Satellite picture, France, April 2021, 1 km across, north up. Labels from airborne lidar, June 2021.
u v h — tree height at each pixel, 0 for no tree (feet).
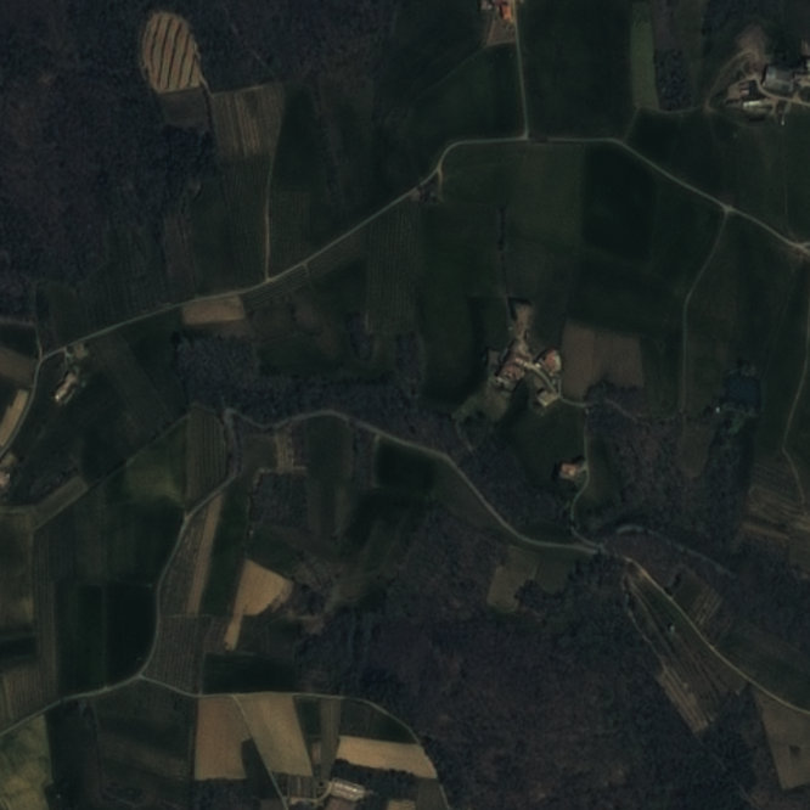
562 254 0
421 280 0
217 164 27
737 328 0
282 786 0
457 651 59
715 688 26
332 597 94
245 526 0
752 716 31
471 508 0
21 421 0
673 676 0
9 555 0
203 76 26
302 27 56
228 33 37
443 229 0
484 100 0
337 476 0
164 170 55
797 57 0
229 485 0
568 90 0
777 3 45
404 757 0
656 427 32
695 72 0
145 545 0
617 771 77
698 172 0
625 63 0
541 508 55
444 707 47
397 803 0
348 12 52
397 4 51
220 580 0
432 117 0
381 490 0
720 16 60
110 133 65
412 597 55
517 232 0
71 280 60
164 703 0
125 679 0
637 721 122
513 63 0
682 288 0
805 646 35
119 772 0
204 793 28
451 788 40
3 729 0
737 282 0
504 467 68
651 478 35
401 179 0
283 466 0
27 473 0
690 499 40
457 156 0
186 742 0
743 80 0
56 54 51
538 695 62
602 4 0
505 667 62
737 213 0
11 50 52
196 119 0
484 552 48
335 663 35
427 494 0
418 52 0
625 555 30
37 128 82
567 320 0
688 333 0
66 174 71
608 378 0
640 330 0
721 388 0
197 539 0
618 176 0
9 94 36
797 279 0
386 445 0
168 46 0
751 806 30
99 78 52
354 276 0
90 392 0
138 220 50
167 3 39
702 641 0
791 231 0
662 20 0
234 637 0
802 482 0
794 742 0
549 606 41
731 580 34
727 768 24
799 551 0
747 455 0
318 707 0
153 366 0
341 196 18
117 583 0
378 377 0
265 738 0
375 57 27
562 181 0
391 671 48
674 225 0
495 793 41
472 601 65
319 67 41
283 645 0
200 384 62
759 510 0
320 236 0
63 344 0
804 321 0
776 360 0
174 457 0
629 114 0
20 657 0
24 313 27
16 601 0
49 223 59
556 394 0
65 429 0
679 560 41
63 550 0
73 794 0
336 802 0
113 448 0
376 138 0
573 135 0
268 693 0
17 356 0
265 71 30
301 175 0
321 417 0
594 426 37
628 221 0
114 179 46
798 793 28
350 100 0
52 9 64
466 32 0
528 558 0
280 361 0
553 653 74
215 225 0
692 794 59
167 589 0
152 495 0
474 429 49
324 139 26
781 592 41
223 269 0
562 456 0
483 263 0
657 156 0
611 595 35
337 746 0
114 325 0
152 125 48
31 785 0
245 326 0
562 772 47
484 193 0
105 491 0
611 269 0
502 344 0
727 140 0
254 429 40
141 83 51
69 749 0
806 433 0
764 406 0
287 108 0
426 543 52
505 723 52
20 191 57
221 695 0
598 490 0
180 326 0
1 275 43
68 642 0
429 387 0
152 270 0
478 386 0
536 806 66
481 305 0
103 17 72
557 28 0
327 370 0
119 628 0
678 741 70
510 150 0
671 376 0
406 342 46
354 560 0
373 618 60
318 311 0
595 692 61
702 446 0
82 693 0
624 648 60
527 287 0
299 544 0
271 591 0
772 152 0
